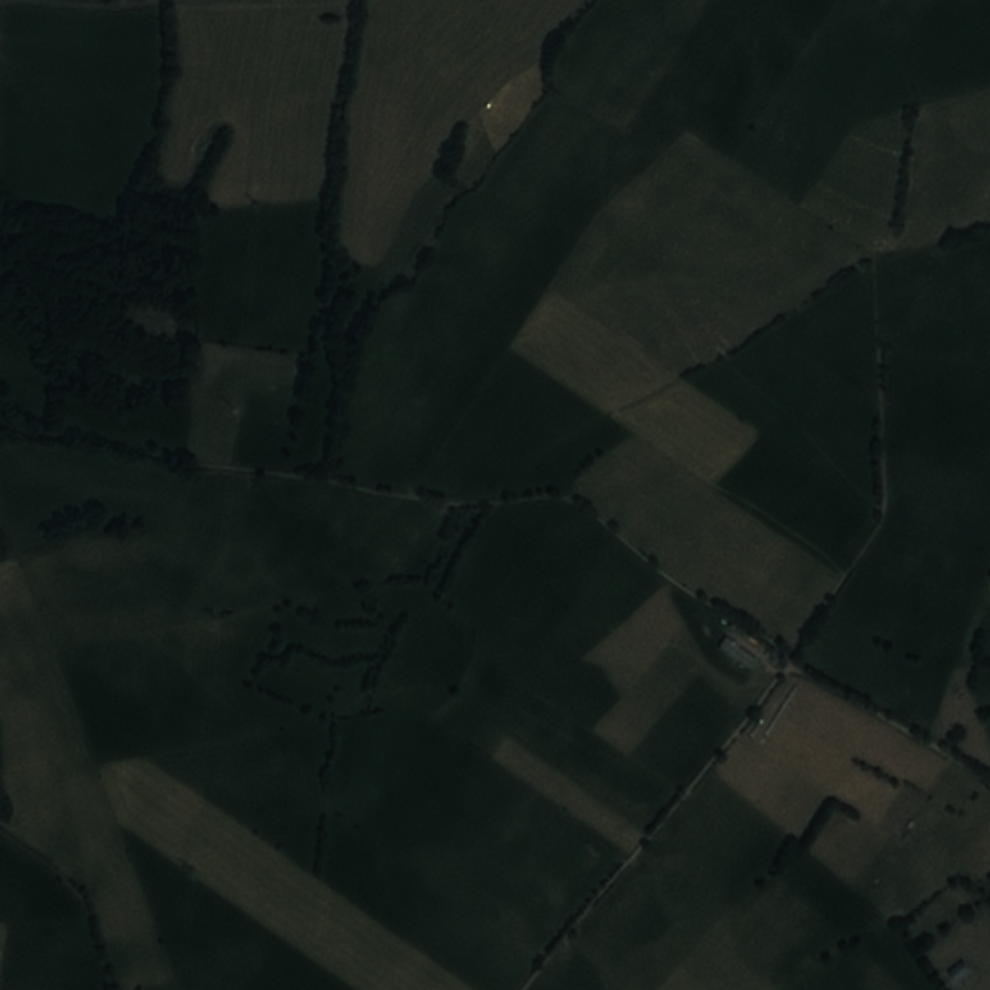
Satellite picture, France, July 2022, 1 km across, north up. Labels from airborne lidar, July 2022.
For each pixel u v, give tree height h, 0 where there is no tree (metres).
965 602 0
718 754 11
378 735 0
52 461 0
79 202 0
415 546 0
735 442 0
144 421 0
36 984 0
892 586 0
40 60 0
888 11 0
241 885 0
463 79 0
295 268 0
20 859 0
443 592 12
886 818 0
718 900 0
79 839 0
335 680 0
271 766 0
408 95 0
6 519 0
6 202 8
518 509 0
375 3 0
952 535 0
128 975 0
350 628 10
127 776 0
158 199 34
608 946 0
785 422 0
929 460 0
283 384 0
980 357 0
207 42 0
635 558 0
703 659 0
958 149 0
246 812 0
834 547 0
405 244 0
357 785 0
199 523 0
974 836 0
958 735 12
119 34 0
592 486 0
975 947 0
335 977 0
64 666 0
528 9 0
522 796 0
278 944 0
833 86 0
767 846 0
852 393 0
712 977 0
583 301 0
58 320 19
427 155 0
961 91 0
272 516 0
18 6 0
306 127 0
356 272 18
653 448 0
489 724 0
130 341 18
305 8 0
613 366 0
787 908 0
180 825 0
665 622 0
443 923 0
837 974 0
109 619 0
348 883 0
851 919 0
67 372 6
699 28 0
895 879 0
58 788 0
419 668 0
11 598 0
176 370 9
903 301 0
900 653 0
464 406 0
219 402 0
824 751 0
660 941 0
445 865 0
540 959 7
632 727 0
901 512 0
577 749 0
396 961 0
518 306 0
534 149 0
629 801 0
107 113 0
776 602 0
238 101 0
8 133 0
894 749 0
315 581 0
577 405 0
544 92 7
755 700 0
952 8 0
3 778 0
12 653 0
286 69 0
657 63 0
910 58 0
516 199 0
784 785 0
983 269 0
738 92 0
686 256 0
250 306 0
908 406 0
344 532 0
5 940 0
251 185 0
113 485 0
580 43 0
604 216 0
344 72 10
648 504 0
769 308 0
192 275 10
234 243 0
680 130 0
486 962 0
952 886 11
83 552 0
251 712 0
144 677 0
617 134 0
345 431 17
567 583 0
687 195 0
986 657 11
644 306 0
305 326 0
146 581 0
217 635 0
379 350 0
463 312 0
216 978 0
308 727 0
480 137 0
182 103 0
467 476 0
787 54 0
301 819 0
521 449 0
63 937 0
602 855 0
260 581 0
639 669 0
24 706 0
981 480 0
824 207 0
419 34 0
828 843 0
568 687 0
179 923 0
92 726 0
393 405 0
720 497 0
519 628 0
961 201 0
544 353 0
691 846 0
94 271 22
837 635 0
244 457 0
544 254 0
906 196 6
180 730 0
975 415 0
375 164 0
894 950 0
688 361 0
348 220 0
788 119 0
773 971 0
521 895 0
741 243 0
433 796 0
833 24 0
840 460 0
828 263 0
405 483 0
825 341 0
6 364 0
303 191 0
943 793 0
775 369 0
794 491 0
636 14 0
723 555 0
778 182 0
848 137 0
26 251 20
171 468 14
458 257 0
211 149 8
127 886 0
